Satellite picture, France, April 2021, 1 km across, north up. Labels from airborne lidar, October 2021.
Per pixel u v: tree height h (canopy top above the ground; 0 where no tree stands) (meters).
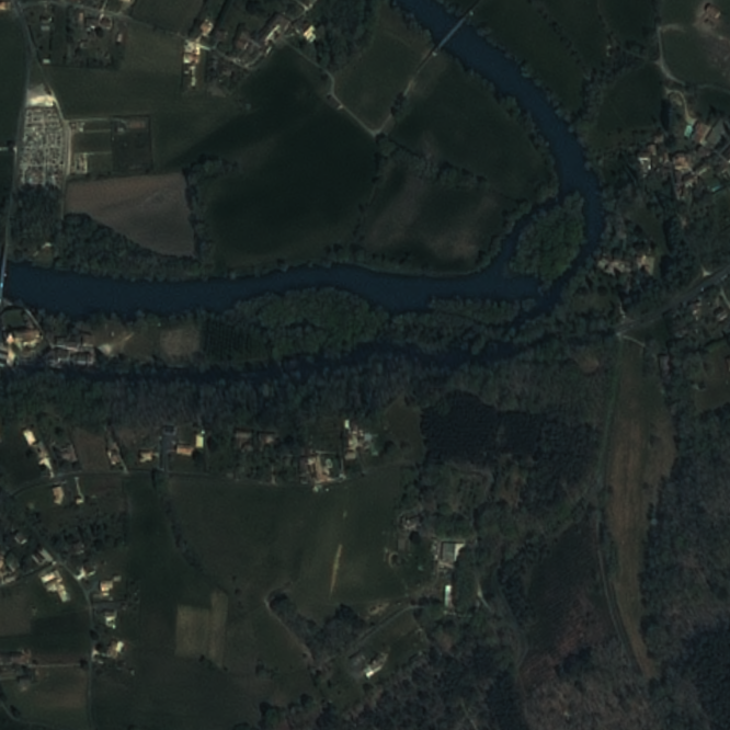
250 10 12
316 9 13
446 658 14
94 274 10
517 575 14
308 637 18
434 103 0
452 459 12
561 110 13
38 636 0
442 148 0
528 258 27
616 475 0
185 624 0
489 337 13
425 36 26
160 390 23
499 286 0
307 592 0
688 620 21
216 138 0
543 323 37
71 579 0
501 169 0
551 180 16
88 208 0
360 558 0
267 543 0
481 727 12
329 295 23
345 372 22
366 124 0
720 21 0
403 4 0
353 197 0
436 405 16
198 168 12
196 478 0
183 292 0
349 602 0
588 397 22
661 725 22
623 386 0
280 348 16
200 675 0
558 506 22
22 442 0
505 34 0
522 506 12
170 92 0
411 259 12
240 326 12
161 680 0
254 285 0
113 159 0
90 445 0
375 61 0
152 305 0
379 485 0
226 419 15
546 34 0
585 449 25
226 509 0
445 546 0
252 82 0
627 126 0
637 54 19
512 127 0
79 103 0
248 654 0
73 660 0
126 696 0
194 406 9
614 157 7
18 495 0
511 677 21
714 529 17
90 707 0
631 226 9
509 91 0
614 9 0
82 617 0
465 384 22
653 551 17
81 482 0
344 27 15
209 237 12
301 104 0
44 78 0
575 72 0
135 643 0
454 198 0
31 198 25
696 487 15
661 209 21
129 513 0
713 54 0
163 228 0
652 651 22
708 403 0
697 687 14
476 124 0
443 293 0
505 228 9
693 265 26
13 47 0
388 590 0
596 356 18
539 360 25
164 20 0
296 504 0
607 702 19
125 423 22
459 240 0
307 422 13
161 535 0
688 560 18
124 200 0
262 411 21
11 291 0
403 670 11
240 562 0
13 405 22
